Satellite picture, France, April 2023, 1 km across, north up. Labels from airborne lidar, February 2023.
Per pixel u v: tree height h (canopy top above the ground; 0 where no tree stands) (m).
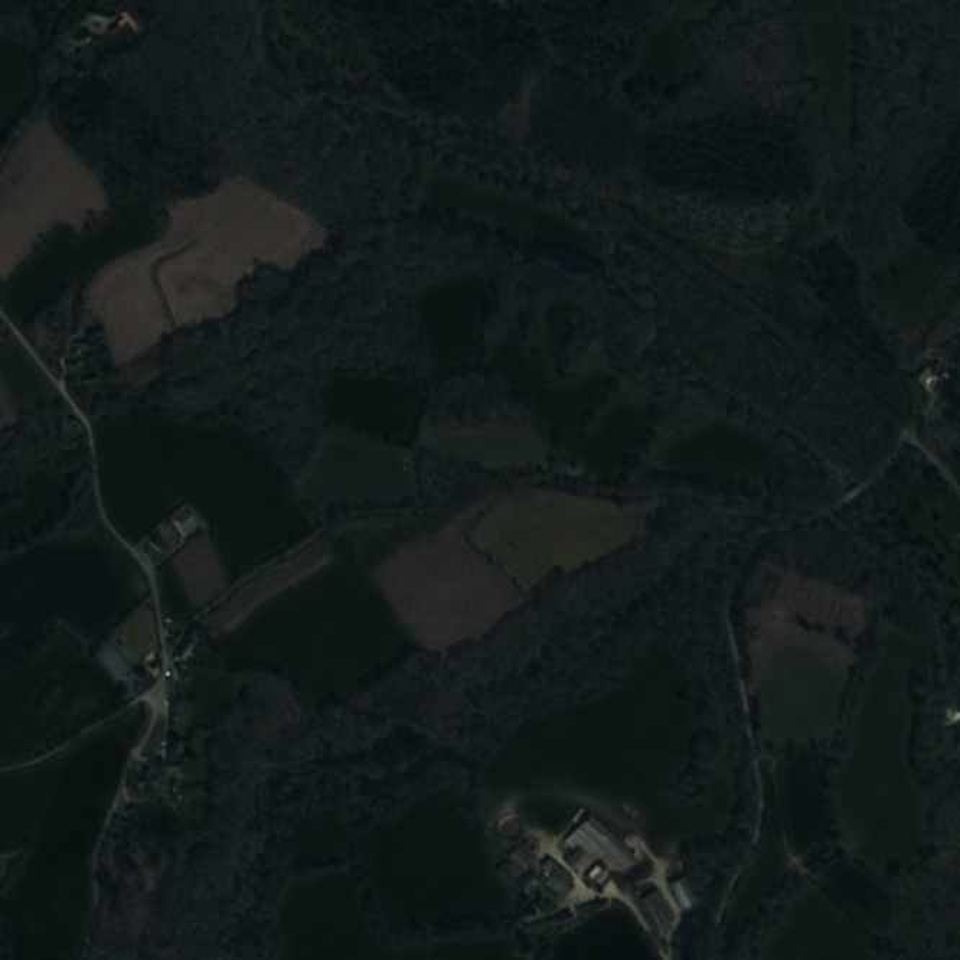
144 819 0
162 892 22
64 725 0
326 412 0
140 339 0
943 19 13
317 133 30
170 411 15
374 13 20
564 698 11
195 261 0
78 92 15
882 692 0
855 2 15
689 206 15
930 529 0
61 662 0
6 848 6
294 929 0
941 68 10
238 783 26
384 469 0
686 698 17
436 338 0
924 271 0
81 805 0
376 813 23
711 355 18
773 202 21
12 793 0
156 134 11
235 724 16
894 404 28
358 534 0
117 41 0
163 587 0
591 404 0
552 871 0
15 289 0
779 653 0
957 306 14
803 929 0
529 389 0
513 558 0
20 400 0
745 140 29
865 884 0
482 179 16
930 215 27
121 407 17
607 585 24
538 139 12
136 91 15
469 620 0
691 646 20
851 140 13
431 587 0
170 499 0
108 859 8
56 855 0
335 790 24
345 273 18
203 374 20
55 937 0
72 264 0
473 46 24
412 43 15
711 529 19
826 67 0
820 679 0
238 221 0
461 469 13
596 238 22
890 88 18
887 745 0
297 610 0
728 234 21
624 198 9
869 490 19
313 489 0
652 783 0
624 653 15
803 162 25
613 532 0
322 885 0
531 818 0
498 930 14
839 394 16
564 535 0
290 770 19
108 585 0
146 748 0
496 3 12
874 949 15
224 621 0
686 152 30
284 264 0
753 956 12
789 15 18
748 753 21
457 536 0
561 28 18
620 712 0
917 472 12
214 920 20
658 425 21
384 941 16
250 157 18
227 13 18
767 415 19
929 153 21
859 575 26
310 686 0
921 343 12
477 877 0
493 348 0
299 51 7
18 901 0
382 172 16
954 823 19
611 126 16
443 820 0
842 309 30
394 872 0
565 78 14
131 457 0
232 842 20
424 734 15
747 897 0
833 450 19
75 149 14
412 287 17
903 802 0
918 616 38
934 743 27
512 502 0
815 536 25
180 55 17
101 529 11
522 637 21
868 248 15
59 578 0
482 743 19
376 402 0
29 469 9
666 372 33
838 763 10
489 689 21
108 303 0
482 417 8
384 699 17
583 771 0
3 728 0
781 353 19
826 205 17
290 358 18
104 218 8
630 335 27
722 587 14
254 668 15
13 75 0
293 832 0
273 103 27
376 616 0
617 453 0
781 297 0
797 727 0
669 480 15
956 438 15
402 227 27
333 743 18
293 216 0
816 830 0
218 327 7
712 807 0
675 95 15
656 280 21
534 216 0
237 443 0
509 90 18
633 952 0
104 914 13
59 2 13
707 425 0
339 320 17
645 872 11
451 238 25
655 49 0
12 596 0
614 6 14
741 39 14
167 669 0
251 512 0
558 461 13
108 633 9
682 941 9
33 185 0
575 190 10
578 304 12
